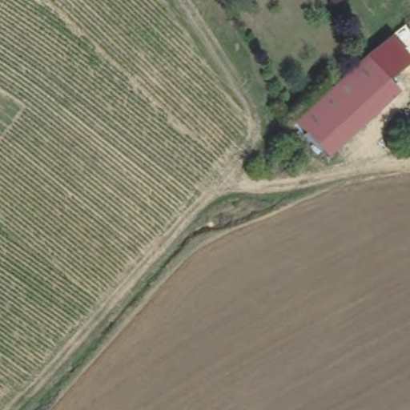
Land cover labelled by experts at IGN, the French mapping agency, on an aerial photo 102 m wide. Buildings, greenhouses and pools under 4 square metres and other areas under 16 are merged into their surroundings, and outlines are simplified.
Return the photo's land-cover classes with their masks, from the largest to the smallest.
<instances>
[{"label":"vineyard","instance_id":"1","mask_svg":"<svg viewBox=\"0 0 410 410\"><path fill-rule=\"evenodd\" d=\"M263 139V130L255 101L247 88V80L240 78L234 62L227 56L218 37L213 34V30L192 0H0V388H22V381H30L35 373L42 372V368L54 359L56 352L77 332V328L67 330V324L86 314V311L96 303L99 293L106 291L107 283L115 279L119 272H123V264L133 256V253L143 247L144 243L151 242L160 229L165 231L175 224V211L178 210L179 203L184 202L189 207L195 202L200 191L195 189L194 184L205 178V173L210 170L213 162L224 154L232 141L237 143L235 152L242 157L243 152L253 151L256 144Z\"/></svg>","mask_w":410,"mask_h":410},{"label":"plowed land","instance_id":"2","mask_svg":"<svg viewBox=\"0 0 410 410\"><path fill-rule=\"evenodd\" d=\"M46 410H410V173H402L394 176L376 175L372 181H352L325 192L317 191L304 195L269 211L266 215L256 216L247 223L195 237L184 248L183 253L167 267L162 277L149 288L141 301L135 307H131L125 319L112 330L106 341L93 352V356L86 360L74 378L59 391L58 397Z\"/></svg>","mask_w":410,"mask_h":410},{"label":"herbaceous vegetation","instance_id":"3","mask_svg":"<svg viewBox=\"0 0 410 410\"><path fill-rule=\"evenodd\" d=\"M213 30V34L218 37L227 56L234 62L240 78L247 80V88L255 101L263 130L272 120L266 104V82L259 74V62L255 59V54L251 53L250 45L243 40V35L237 34L234 22L227 21L223 6L218 0H192ZM258 13L242 11L240 18L258 38L259 45L266 51L269 61L279 67L283 59L291 58L295 59L301 69L309 72L320 58L333 54L335 50L336 42L330 18L327 16L320 18L319 21H306L299 0H258ZM288 127L296 128L299 138L306 139L307 147H312L314 151L307 162L301 163L298 175L324 171L336 163L343 162L340 154L320 152L317 139L307 135L306 130H299L301 127L298 122H288ZM402 173L400 170L367 171L304 189L271 194L231 192L208 203L207 207L200 210L191 223L187 224L170 250L149 267L143 279L136 282L135 287L131 288L130 293L114 309L107 312L101 324L88 336V340L75 349L74 354L37 392V396L29 399L22 396L18 400L21 405L19 410H46L58 397L59 391L74 378L86 360L93 356V352L106 341L112 330L125 319L131 307H135L141 301L149 288L162 277L167 267L183 253L184 248L195 237L247 223L256 216L266 215L269 211L304 195L317 191L325 192L352 181H372L376 175L394 176Z\"/></svg>","mask_w":410,"mask_h":410},{"label":"pervious surface","instance_id":"4","mask_svg":"<svg viewBox=\"0 0 410 410\"><path fill-rule=\"evenodd\" d=\"M400 93L378 111L375 119L370 120L364 130L359 131L349 143L344 144L340 154L343 162L336 163L324 171L298 175L255 181L243 171L242 157L235 152L237 143L232 141L224 154L213 162L210 170L205 173V178L194 184L195 189L200 191L195 202L189 207L184 202L179 203L178 210L175 211V224L165 231L160 229L151 242L144 243L143 247L133 253V256L123 264V272H119L115 279L107 283L106 291L99 293L96 303L86 311V314L67 324V330L77 328V332L56 352L54 359L42 368V372L35 373L30 381H22V388H0V410H19L21 405L18 400L22 396L29 399L37 396V392L74 354L75 349L88 340V336L101 324L107 312L114 309L130 293L131 288L135 287L136 282L143 279L149 267L170 250L187 224L191 223L200 210L207 207L208 203L231 192L271 194L304 189L367 171L400 170L402 173H410V157L397 159L391 155L388 147L384 146L383 119L392 109H410V64L396 77Z\"/></svg>","mask_w":410,"mask_h":410},{"label":"deciduous trees","instance_id":"5","mask_svg":"<svg viewBox=\"0 0 410 410\"><path fill-rule=\"evenodd\" d=\"M223 6L227 21L234 22L240 18L242 11L258 13V0H218ZM306 21H319L320 18L327 16L330 18L336 42L335 50L333 54L320 58L309 72L301 69L295 59L291 58L283 59L279 67L275 70L274 77L266 82V104L272 120L263 130V139L256 144L253 151L243 152L242 157L243 171L255 181L298 175L301 163L307 162L314 151L312 147H307L306 139L299 138L296 128L288 127V122H298L325 93L332 90L336 83H340L354 67L359 66L360 61H364L368 54L364 51V43H359L362 32L359 18L352 14L349 6L351 0H299ZM384 146L388 147L391 155L397 159L410 157V109H392L383 119Z\"/></svg>","mask_w":410,"mask_h":410},{"label":"building","instance_id":"6","mask_svg":"<svg viewBox=\"0 0 410 410\"><path fill-rule=\"evenodd\" d=\"M410 64V22L368 54L364 61H360L359 66L354 67L340 83H336L332 90L325 93L298 122L301 127L299 130H306L307 135L317 139L320 152L340 154L344 144L349 143L359 131L364 130L370 120L375 119L378 111L400 93L396 77Z\"/></svg>","mask_w":410,"mask_h":410},{"label":"agricultural land","instance_id":"7","mask_svg":"<svg viewBox=\"0 0 410 410\"><path fill-rule=\"evenodd\" d=\"M349 6L352 14L359 18L362 32L359 43H364V51L368 54L410 22V0H351Z\"/></svg>","mask_w":410,"mask_h":410},{"label":"brushwood","instance_id":"8","mask_svg":"<svg viewBox=\"0 0 410 410\"><path fill-rule=\"evenodd\" d=\"M237 34L243 35V40L250 45L251 53L255 54V59L259 62V74L266 82L274 77L275 70L279 67L269 61L266 51L259 45L258 38L240 18L234 22Z\"/></svg>","mask_w":410,"mask_h":410}]
</instances>
